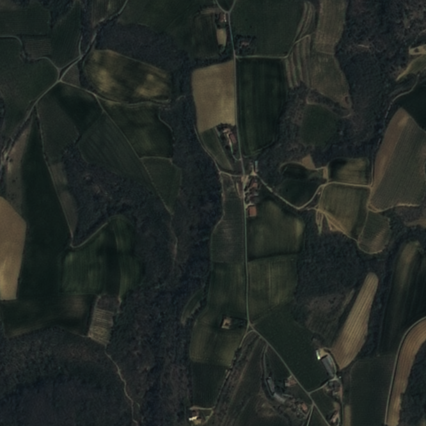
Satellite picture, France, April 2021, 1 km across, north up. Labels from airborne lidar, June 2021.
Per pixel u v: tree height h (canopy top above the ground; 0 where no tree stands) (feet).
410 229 22
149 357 90
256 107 0
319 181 22
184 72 62
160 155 0
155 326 66
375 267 44
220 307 0
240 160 0
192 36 0
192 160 71
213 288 0
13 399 64
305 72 0
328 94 0
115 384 19
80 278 0
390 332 0
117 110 0
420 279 0
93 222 79
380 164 0
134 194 46
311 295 39
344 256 39
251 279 0
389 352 0
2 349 32
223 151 0
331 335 0
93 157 0
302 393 0
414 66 0
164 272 26
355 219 0
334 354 0
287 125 50
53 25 26
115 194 49
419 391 40
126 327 46
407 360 0
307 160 0
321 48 0
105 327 0
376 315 41
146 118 0
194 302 0
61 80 0
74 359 31
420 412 76
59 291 0
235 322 27
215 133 0
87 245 0
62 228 0
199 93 0
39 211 0
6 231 0
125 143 0
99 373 33
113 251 0
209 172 55
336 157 49
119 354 22
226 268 0
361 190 0
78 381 70
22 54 22
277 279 0
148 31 47
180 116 68
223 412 28
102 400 70
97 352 32
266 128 0
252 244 0
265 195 0
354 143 49
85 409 91
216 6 20
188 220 46
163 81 0
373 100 35
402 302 0
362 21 35
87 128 0
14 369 71
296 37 0
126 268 0
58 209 0
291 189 0
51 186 0
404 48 32
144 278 31
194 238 29
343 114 22
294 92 43
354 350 0
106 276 0
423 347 27
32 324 0
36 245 0
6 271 0
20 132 37
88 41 41
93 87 28
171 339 31
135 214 101
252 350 30
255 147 0
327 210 0
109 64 0
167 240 36
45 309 0
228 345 0
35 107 30
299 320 27
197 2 0
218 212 61
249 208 0
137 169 0
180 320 24
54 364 68
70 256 0
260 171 52
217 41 0
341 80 0
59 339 52
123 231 0
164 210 20
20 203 0
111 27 27
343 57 63
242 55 40
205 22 0
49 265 0
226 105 0
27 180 0
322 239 35
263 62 0
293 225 0
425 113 0
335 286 31
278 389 31
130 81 0
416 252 0
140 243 43
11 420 56
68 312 0
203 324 0
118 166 0
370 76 25
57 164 0
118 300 30
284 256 0
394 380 0
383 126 50
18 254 0
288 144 28
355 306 0
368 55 38
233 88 0
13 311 0
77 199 58
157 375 32
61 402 79
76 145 40
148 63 31
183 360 30
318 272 33
